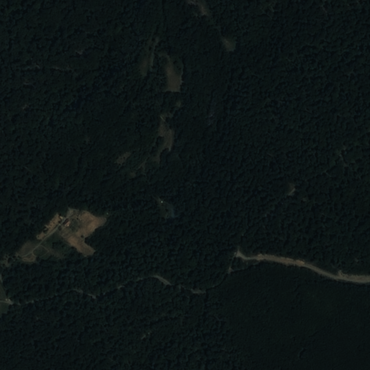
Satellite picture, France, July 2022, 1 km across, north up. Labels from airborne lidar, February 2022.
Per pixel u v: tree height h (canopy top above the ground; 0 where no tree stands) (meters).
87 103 36
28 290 18
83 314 20
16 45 32
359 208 12
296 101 23
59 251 0
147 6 26
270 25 24
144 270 24
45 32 34
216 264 18
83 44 34
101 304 9
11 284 21
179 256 25
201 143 23
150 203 20
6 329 18
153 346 9
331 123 24
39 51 27
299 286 17
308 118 20
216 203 27
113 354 12
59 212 19
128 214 25
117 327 20
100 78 15
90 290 29
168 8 21
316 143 26
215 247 21
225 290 16
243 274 18
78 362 23
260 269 19
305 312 14
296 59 28
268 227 26
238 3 31
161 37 7
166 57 0
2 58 23
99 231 9
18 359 24
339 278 0
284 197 21
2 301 0
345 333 15
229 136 28
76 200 18
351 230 27
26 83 30
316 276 21
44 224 12
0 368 22
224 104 16
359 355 17
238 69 25
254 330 16
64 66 32
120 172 19
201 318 19
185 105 21
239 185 33
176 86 0
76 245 0
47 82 31
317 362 14
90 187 27
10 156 28
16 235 19
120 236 16
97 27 29
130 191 22
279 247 18
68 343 24
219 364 26
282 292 15
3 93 34
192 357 19
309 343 19
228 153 30
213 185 21
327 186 27
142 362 16
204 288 18
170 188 19
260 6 26
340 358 13
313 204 7
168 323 19
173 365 17
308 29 26
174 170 25
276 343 15
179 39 29
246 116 19
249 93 27
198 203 23
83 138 24
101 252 8
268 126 26
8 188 28
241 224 25
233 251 28
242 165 24
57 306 25
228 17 25
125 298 12
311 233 27
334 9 33
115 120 26
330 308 14
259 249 25
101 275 19
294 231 22
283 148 23
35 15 25
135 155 8
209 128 24
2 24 30
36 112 34
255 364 15
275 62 22
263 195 26
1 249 24
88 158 27
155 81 23
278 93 25
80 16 30
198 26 18
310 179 19
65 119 30
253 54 25
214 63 23
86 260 28
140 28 29
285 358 19
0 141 26
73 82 35
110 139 26
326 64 26
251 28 21
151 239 21
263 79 18
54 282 24
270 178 27
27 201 31
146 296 23
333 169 23
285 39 29
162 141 18
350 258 22
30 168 31
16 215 18
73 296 20
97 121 22
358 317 16
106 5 26
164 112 17
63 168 29
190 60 26
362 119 19
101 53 29
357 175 20
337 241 24
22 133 33
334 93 28
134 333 7
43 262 20
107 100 30
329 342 15
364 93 21
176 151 18
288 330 14
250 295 16
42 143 31
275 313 14
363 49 24
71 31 33
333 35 21
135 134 31
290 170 28
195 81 27
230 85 9
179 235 21
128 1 27
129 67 15
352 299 19
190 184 30
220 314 16
